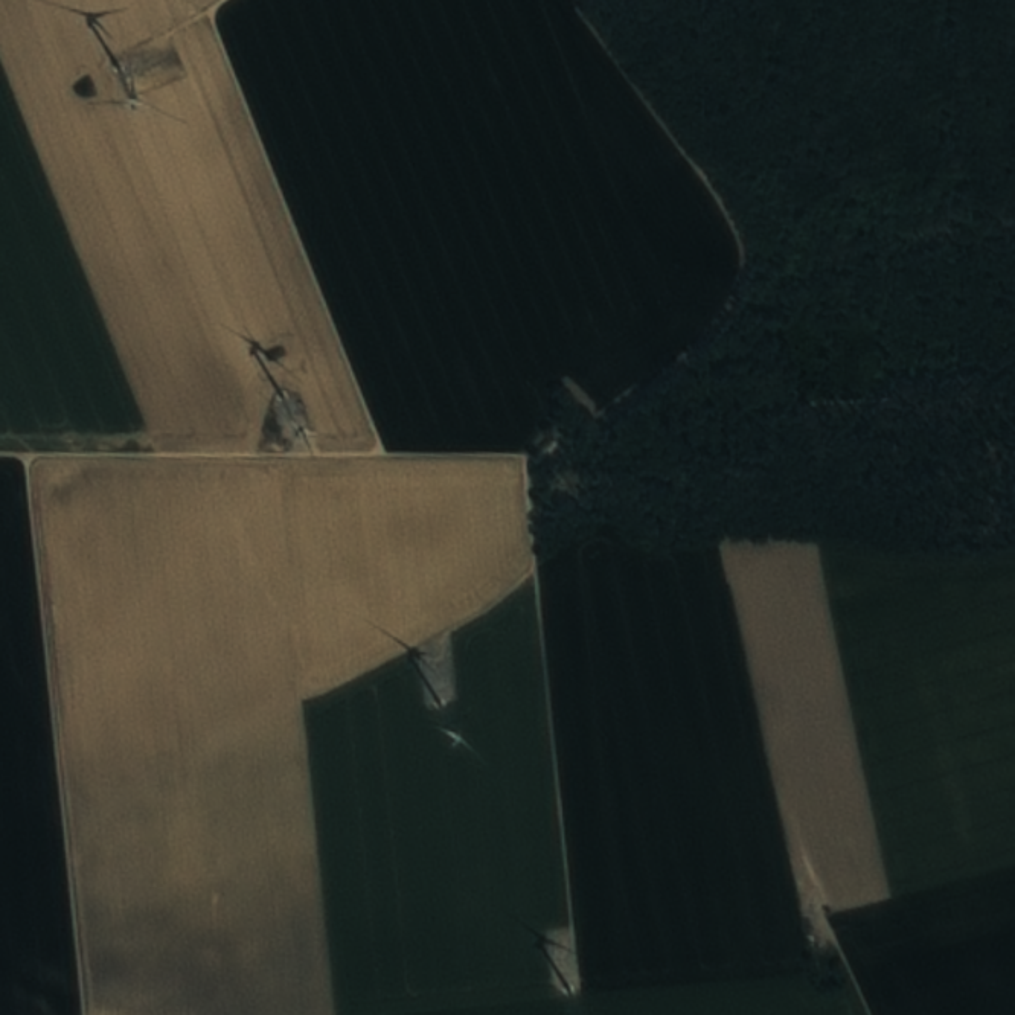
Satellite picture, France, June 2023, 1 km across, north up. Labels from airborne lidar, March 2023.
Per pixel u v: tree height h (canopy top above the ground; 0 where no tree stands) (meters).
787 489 21
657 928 0
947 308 22
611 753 0
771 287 21
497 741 0
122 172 0
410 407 0
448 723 0
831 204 15
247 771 0
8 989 0
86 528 0
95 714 0
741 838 0
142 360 0
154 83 0
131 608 0
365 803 0
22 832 0
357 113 0
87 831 0
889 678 0
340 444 0
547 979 0
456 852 0
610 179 0
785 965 0
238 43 0
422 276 0
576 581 0
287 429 0
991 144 19
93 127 0
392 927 0
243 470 0
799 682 0
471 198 0
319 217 0
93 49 0
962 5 21
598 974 0
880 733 0
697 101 21
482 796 0
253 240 0
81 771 0
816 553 0
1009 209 21
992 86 20
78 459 0
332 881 0
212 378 0
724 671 0
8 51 0
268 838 0
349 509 0
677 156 0
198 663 0
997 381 26
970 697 0
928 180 16
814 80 24
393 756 0
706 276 0
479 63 0
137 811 0
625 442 21
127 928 0
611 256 0
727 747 0
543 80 0
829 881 0
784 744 0
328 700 0
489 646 0
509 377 0
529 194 0
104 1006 0
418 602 0
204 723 0
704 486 24
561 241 0
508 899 0
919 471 26
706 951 0
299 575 0
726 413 25
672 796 0
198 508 0
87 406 0
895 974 0
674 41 25
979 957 0
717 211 0
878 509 23
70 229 0
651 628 0
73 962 0
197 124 0
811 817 0
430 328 0
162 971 0
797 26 24
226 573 0
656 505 21
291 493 0
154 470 0
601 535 0
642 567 0
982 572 0
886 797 0
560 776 0
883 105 21
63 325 0
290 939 0
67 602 0
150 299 0
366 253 0
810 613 0
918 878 0
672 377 16
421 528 0
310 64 0
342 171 0
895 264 19
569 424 19
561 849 0
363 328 0
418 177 0
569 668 0
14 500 0
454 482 0
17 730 0
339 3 0
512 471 0
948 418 22
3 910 0
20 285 0
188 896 0
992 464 24
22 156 0
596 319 0
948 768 0
